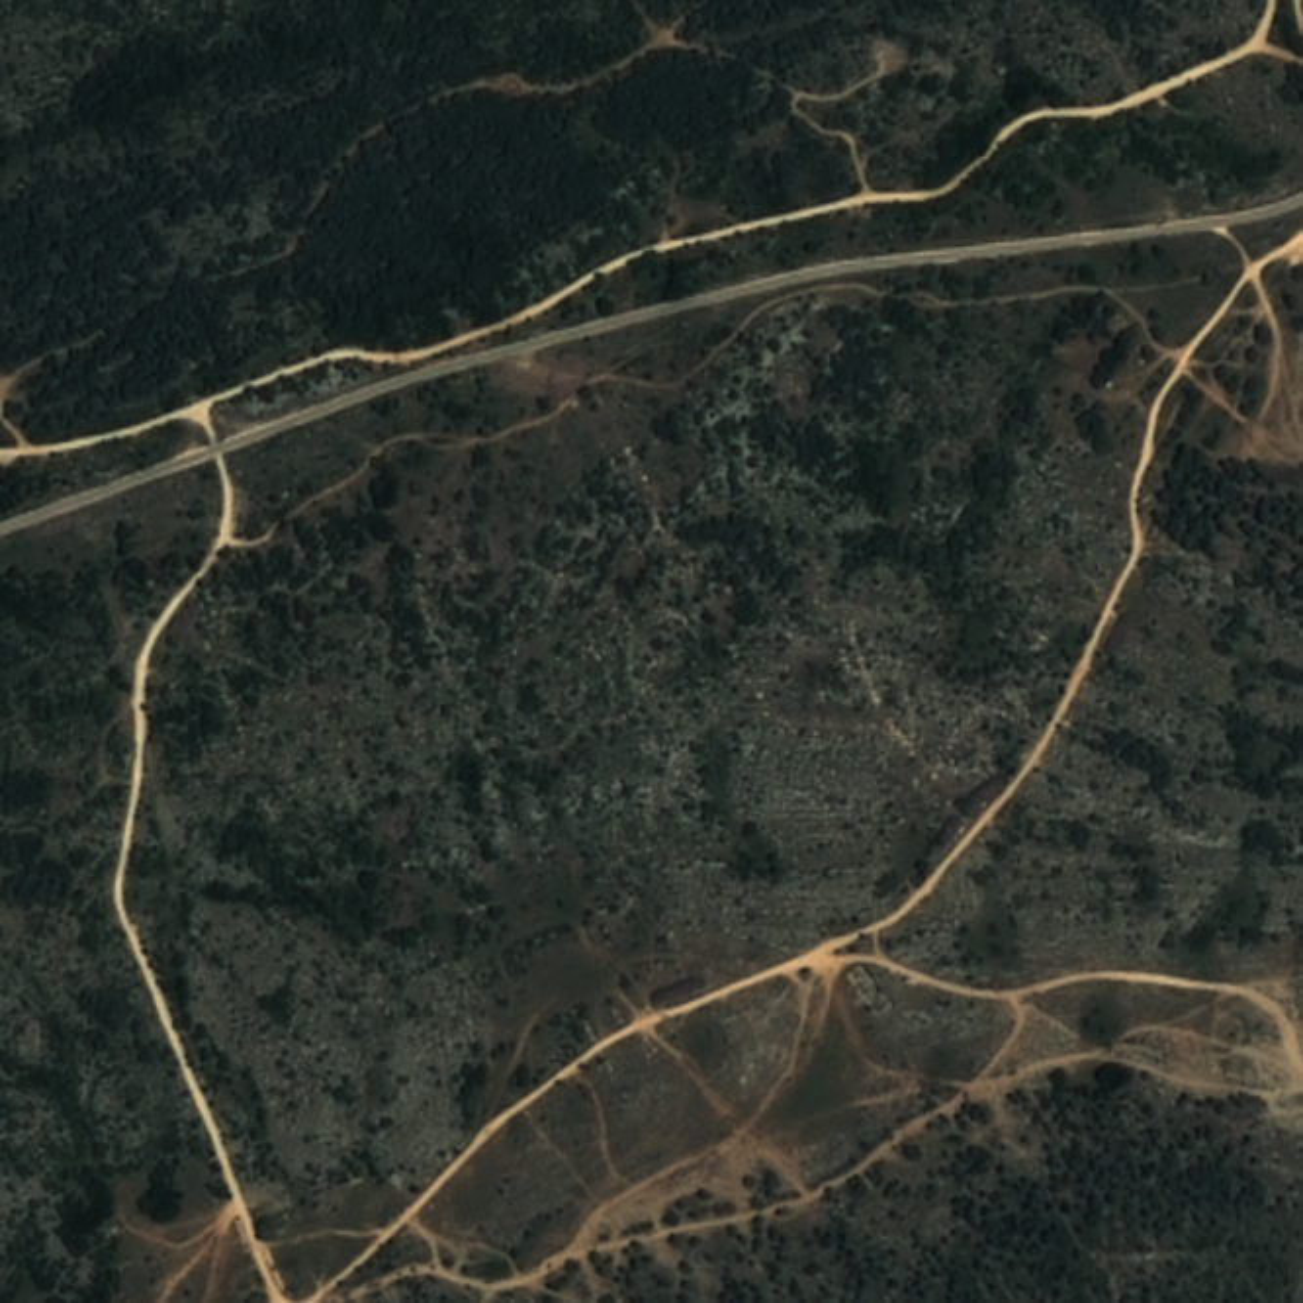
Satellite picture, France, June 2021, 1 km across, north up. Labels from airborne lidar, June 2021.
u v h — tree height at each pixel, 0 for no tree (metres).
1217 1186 8
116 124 11
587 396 9
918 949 0
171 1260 0
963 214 5
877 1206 0
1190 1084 0
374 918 7
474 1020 0
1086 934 0
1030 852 0
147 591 6
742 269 0
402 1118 0
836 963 0
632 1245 9
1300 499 13
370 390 0
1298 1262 0
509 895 0
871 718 0
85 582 7
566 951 0
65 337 9
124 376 8
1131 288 0
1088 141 7
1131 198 0
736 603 6
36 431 6
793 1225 0
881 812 0
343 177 9
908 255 0
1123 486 0
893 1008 0
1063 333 11
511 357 0
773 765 0
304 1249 0
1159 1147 8
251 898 5
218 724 6
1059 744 0
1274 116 0
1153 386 6
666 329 0
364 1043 0
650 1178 0
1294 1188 9
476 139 11
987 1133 0
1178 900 0
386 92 10
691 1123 0
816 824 0
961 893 0
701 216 0
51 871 10
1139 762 10
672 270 10
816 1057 0
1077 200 0
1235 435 0
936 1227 0
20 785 10
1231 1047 0
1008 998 0
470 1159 0
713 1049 0
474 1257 0
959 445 0
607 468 7
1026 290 0
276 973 0
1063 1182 11
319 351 7
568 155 10
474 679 7
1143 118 7
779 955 0
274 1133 0
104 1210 8
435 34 10
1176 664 0
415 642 6
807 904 0
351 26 9
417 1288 7
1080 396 9
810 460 7
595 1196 0
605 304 10
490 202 10
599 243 7
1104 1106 8
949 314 8
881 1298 0
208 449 0
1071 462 0
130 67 7
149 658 0
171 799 0
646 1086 0
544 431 0
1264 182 0
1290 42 9
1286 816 6
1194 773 8
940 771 0
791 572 8
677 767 0
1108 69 0
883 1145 0
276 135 9
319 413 0
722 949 0
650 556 6
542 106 9
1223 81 0
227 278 8
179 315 10
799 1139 0
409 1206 0
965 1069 0
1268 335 7
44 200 12
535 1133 0
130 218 8
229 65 6
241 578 7
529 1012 0
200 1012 0
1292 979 0
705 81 12
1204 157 6
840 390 9
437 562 11
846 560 8
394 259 10
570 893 0
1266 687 0
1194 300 0
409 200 6
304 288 6
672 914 0
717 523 14
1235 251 0
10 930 0
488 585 6
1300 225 0
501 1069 0
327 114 7
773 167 7
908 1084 0
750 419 7
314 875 9
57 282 11
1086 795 0
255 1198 0
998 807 0
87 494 0
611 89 7
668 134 9
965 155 9
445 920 0
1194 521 12
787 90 7
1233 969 0
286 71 6
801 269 0
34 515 0
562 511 6
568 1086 0
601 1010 0
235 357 7
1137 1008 0
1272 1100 0
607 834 0
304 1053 0
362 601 7
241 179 7
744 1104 0
